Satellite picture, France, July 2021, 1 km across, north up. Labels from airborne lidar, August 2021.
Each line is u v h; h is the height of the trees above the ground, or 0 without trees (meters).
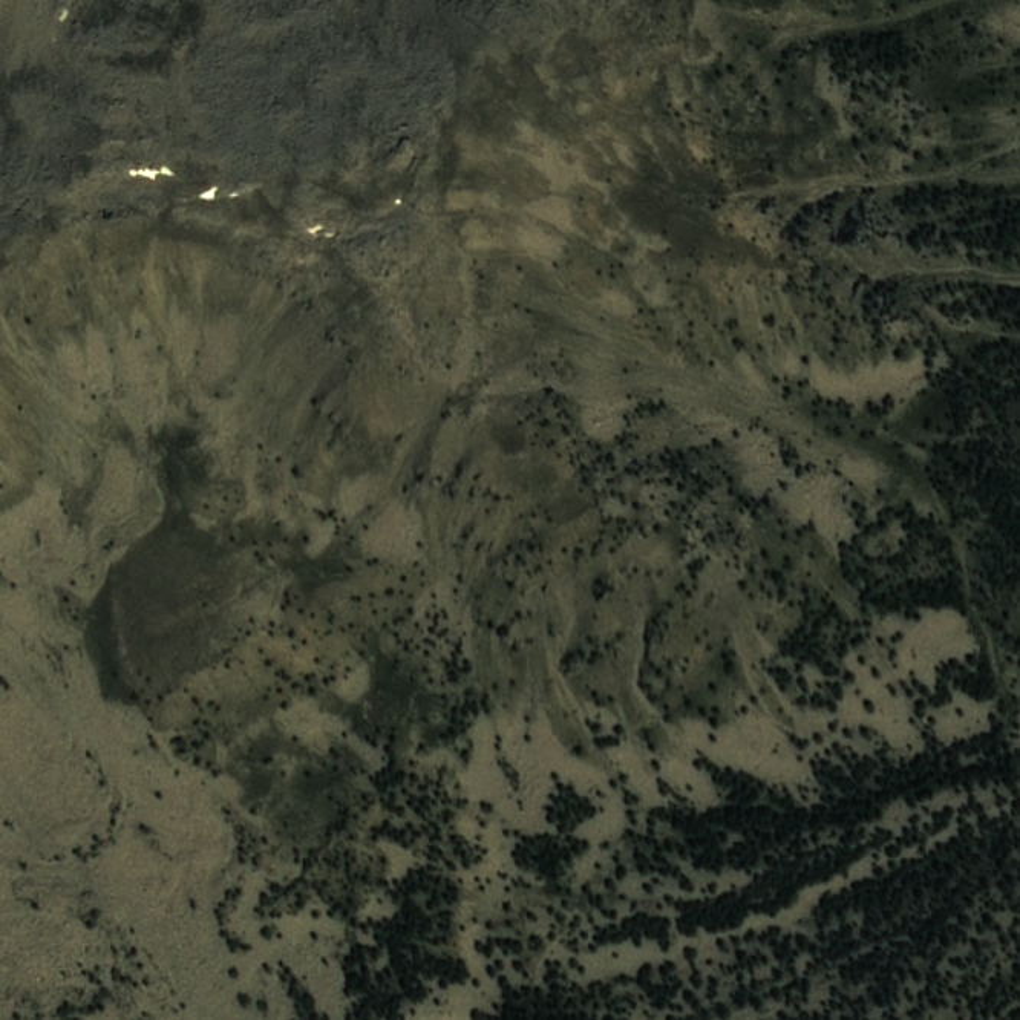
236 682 0
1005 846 11
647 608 0
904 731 0
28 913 0
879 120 0
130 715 0
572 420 16
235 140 0
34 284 0
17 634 0
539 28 0
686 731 0
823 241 0
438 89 0
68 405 0
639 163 0
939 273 0
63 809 0
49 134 0
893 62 10
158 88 0
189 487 0
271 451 0
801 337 0
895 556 8
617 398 0
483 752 0
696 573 7
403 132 0
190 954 0
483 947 8
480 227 0
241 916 0
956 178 0
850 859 10
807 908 0
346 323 0
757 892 10
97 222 0
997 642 0
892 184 0
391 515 0
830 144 0
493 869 0
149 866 0
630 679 0
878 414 9
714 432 0
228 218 0
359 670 0
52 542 0
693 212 0
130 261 0
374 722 0
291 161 0
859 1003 8
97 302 0
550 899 0
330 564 0
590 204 0
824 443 0
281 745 0
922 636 0
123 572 0
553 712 0
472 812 0
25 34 0
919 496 0
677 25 0
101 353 0
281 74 0
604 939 16
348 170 0
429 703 0
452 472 0
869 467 0
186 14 0
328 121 0
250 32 0
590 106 0
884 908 9
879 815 13
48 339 0
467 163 0
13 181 0
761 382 0
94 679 0
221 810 0
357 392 0
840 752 15
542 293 0
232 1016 0
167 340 0
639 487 0
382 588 0
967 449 6
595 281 0
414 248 0
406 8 0
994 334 0
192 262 0
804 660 11
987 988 9
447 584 0
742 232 0
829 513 0
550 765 0
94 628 0
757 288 0
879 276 0
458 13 0
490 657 0
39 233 0
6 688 6
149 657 0
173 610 0
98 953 0
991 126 0
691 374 0
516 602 0
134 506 0
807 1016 9
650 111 0
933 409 0
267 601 0
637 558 0
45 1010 0
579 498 0
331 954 0
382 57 0
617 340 0
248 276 0
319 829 0
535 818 0
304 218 0
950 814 16
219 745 0
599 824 0
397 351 0
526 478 0
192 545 0
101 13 0
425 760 0
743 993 7
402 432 0
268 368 0
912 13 0
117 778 0
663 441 0
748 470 0
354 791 0
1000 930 14
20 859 0
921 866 9
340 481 0
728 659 12
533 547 6
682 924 11
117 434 0
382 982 13
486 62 0
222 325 0
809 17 0
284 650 0
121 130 0
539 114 0
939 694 9
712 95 0
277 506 0
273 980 0
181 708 0
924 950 7
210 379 0
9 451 0
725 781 15
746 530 0
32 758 0
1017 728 9
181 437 0
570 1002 10
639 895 0
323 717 0
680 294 0
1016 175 0
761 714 0
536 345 0
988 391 13
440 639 7
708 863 11
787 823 14
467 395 0
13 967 0
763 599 0
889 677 0
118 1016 0
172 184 0
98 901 0
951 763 10
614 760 0
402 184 0
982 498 11
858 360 0
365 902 0
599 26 0
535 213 0
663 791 13
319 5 0
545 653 0
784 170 0
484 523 0
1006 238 11
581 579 0
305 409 0
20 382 0
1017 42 0
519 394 0
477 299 0
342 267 0
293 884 8
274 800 0
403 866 0
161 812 0
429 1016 0
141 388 0
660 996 9
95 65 0
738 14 0
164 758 0
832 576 0
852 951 9
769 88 0
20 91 0
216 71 0
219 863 0
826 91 0
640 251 0
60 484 0
